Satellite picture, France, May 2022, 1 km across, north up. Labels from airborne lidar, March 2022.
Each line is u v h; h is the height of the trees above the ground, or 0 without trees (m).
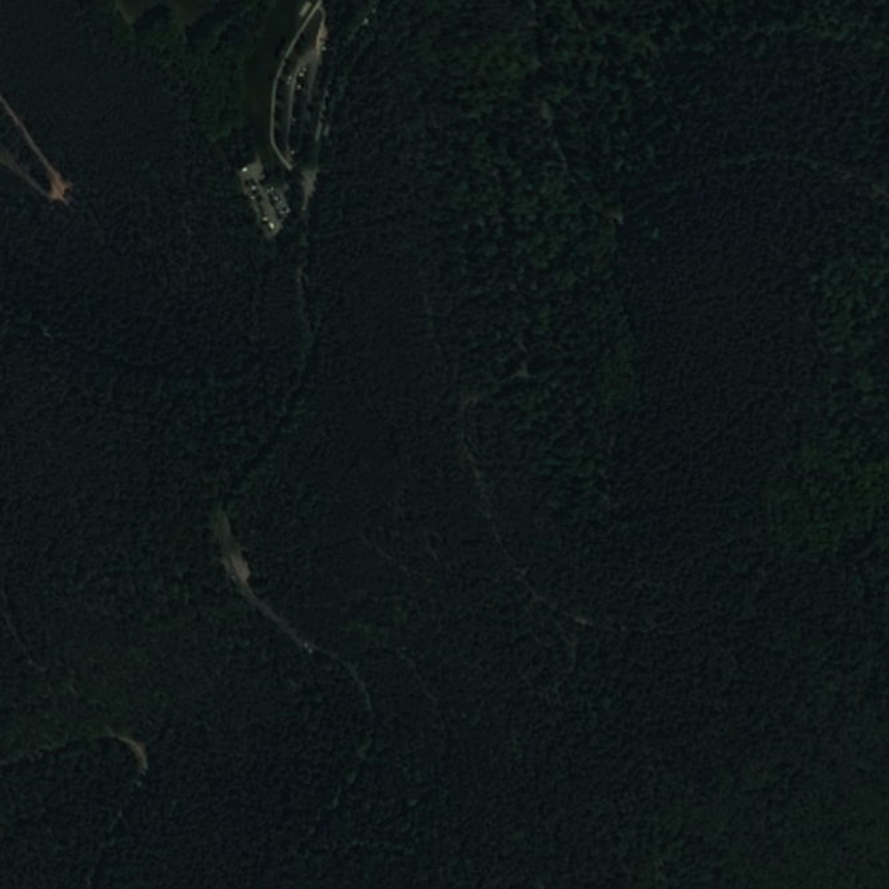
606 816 20
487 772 22
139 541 20
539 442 27
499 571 16
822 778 19
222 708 24
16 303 33
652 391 27
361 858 22
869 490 23
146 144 20
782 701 19
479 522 14
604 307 27
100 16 18
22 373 18
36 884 25
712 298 20
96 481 20
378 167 19
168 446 24
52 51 17
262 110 0
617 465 26
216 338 27
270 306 17
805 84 21
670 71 45
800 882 21
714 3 11
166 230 25
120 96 16
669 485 20
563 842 23
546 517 21
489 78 30
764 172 22
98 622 22
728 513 17
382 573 15
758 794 21
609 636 17
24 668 27
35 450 18
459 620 15
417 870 20
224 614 24
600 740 21
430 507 16
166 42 20
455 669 16
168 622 23
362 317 23
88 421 23
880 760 20
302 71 0
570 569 24
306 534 20
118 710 26
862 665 20
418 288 17
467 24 38
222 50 21
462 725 21
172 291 24
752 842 19
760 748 19
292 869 20
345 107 13
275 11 0
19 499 23
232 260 20
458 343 23
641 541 25
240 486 21
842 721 21
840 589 20
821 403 26
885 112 25
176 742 25
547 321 26
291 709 28
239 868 24
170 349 31
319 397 22
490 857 22
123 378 30
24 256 36
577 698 17
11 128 23
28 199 6
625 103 37
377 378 20
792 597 20
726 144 23
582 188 20
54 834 25
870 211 22
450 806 24
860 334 21
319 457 21
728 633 19
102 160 22
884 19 29
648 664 23
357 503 16
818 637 17
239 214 24
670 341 23
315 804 26
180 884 22
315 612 19
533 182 32
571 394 26
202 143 20
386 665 21
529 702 19
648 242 22
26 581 22
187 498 28
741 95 23
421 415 17
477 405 16
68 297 30
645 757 20
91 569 13
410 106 17
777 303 20
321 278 19
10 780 25
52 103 21
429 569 15
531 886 20
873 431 21
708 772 19
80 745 21
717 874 22
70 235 32
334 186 12
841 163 26
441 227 26
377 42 14
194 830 25
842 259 26
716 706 22
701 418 20
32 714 26
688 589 18
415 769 23
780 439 20
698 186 19
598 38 18
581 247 24
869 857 21
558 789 20
